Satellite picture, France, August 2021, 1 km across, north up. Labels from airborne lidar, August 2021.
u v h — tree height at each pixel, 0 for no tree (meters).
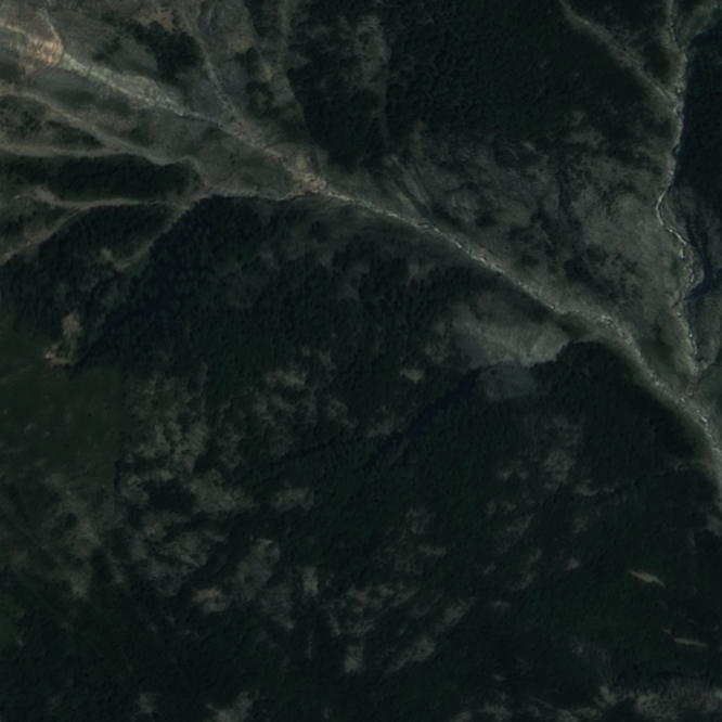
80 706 9
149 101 0
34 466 0
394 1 22
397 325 30
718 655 14
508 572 10
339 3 24
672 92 0
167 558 11
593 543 17
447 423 13
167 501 18
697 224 7
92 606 6
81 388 0
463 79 32
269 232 14
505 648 21
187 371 11
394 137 12
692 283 0
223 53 0
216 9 0
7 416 0
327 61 17
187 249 17
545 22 9
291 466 22
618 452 16
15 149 0
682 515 14
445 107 27
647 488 22
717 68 8
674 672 10
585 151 9
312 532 14
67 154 0
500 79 29
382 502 25
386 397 18
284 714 13
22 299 11
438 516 7
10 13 0
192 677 15
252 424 22
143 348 8
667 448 10
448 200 0
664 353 0
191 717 11
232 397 13
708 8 0
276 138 0
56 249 18
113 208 10
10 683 12
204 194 0
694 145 9
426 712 16
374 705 17
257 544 9
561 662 21
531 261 10
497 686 9
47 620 14
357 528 24
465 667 19
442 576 23
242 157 0
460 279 12
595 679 11
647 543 10
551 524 7
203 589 16
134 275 0
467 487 14
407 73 21
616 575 26
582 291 0
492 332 0
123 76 0
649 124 7
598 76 13
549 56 15
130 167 8
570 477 7
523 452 9
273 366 11
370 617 15
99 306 8
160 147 0
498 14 29
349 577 9
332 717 11
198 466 10
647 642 17
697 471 8
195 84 0
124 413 0
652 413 18
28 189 0
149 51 8
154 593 9
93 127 0
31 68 0
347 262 18
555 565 11
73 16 0
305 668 20
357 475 15
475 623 19
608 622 15
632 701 11
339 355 8
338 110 21
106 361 7
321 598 11
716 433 0
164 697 8
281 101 0
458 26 22
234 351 20
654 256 0
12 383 0
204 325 14
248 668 11
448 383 9
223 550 12
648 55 10
